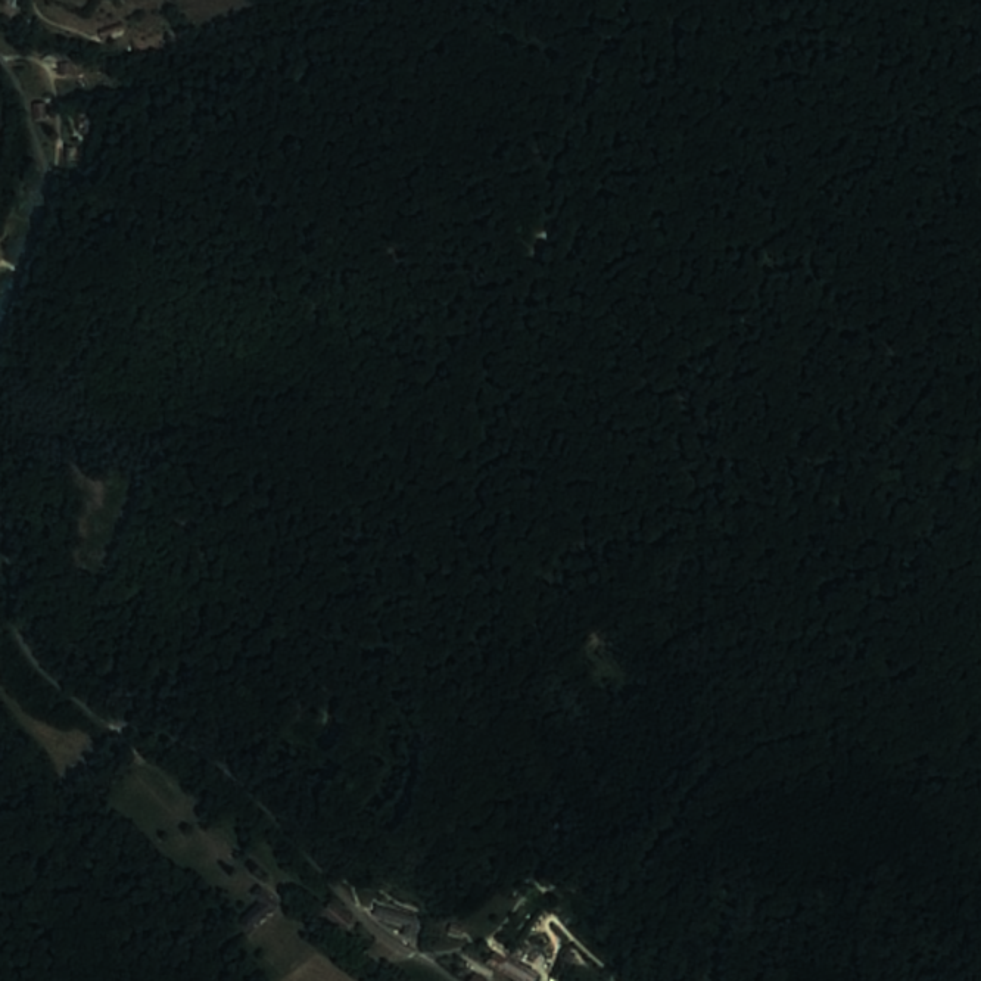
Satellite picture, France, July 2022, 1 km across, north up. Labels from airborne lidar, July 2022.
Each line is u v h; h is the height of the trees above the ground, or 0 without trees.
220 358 21
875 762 26
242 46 31
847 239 27
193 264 21
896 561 29
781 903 34
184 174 27
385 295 27
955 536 28
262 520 25
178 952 31
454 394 27
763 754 31
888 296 25
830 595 29
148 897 28
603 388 32
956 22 27
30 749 35
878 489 25
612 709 28
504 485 28
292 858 17
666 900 25
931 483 28
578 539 30
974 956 28
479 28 25
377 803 14
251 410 25
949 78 27
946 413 33
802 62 28
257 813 16
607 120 30
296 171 29
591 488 28
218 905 10
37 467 23
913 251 29
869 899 26
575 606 31
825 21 27
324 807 37
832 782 19
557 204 28
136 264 20
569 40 27
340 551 30
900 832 21
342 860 22
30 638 26
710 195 31
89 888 34
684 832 29
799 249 27
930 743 31
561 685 25
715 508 25
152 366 20
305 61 29
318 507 25
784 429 30
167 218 21
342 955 35
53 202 31
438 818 28
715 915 32
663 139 28
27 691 12
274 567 27
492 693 21
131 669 28
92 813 11
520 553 30
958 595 25
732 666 28
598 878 24
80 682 24
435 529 31
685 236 31
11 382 18
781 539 31
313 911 26
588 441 30
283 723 32
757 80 29
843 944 25
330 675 29
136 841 29
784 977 29
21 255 0
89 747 0
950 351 28
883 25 27
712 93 29
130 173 30
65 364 13
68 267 26
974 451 30
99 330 15
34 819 28
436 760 35
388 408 23
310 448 27
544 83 27
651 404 30
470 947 7
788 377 30
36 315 29
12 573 21
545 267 29
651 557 29
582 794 31
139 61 20
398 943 0
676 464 29
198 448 25
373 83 25
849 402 28
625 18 23
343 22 27
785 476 29
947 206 27
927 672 25
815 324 26
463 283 26
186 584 21
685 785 33
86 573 14
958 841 29
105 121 16
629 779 28
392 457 27
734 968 36
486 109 26
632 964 23
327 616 32
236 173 25
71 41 12
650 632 31
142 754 17
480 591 27
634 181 27
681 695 20
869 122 30
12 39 18
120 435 16
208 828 18
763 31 25
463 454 27
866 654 27
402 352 27
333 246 26
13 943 26
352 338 21
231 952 31
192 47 25
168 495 22
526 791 29
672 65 24
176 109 30
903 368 28
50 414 21
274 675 27
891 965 30
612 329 31
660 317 27
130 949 32
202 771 24
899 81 26
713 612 27
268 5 14
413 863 24
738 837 22
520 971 0
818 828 25
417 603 28
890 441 26
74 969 30
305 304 20
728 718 30
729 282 30
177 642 30
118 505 0
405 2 30
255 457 28
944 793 27
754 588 26
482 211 27
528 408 31
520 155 29
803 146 31
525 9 29
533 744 27
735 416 30
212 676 31
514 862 30
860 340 28
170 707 24
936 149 29
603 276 29
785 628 24
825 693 31
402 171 28
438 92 28
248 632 27
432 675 30
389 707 30
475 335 30
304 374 27
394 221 26
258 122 27
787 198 31
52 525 21
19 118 21
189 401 25
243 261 26
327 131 28
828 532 30
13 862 30
